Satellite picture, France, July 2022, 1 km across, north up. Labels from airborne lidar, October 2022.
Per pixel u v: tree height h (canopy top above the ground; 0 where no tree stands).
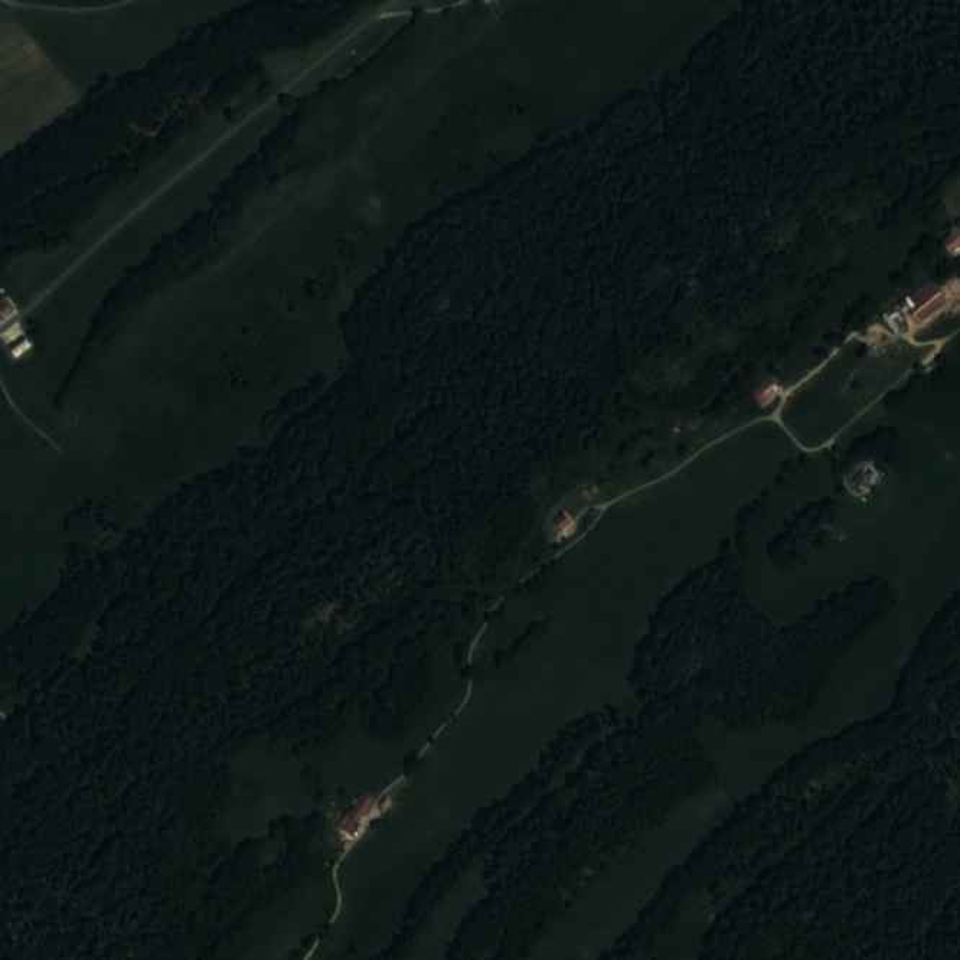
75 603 34
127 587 17
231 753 10
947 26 20
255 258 0
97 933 22
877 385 0
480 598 12
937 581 0
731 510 0
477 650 0
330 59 0
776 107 18
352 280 0
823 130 19
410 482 11
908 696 21
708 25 0
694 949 0
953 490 0
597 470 0
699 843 0
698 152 21
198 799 14
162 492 0
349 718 15
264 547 7
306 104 7
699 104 32
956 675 20
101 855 21
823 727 0
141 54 0
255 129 0
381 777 0
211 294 0
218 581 15
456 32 0
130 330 0
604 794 20
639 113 28
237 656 23
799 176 23
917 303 0
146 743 23
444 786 0
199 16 0
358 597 10
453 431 19
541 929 24
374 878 0
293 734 14
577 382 20
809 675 20
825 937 20
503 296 21
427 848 0
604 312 21
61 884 20
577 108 0
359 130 0
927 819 26
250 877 12
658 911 20
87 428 0
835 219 7
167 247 20
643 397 6
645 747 26
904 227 18
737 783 0
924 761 25
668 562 0
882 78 8
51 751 27
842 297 0
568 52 0
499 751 0
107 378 0
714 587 19
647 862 0
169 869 6
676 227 19
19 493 0
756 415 0
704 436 0
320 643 6
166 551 26
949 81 19
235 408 0
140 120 19
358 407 31
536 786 24
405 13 0
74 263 0
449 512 20
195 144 0
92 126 28
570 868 16
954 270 11
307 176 0
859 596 22
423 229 21
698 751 24
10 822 26
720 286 15
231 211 21
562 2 0
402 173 0
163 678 28
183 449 0
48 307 0
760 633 28
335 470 23
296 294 0
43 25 0
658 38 0
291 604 26
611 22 0
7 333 0
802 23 16
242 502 26
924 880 27
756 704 18
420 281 24
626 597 0
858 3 9
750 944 21
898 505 0
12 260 7
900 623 0
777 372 13
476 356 18
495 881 8
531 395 21
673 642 18
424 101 0
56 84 0
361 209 0
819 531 11
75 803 24
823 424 0
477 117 7
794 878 17
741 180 24
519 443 12
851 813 22
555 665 0
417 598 9
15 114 0
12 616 0
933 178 13
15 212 16
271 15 27
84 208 18
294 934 0
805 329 20
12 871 24
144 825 16
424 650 7
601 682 0
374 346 26
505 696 0
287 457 28
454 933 0
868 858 19
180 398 0
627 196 21
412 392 23
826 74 30
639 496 0
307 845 23
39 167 28
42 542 0
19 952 21
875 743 21
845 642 17
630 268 12
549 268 25
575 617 0
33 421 0
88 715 23
